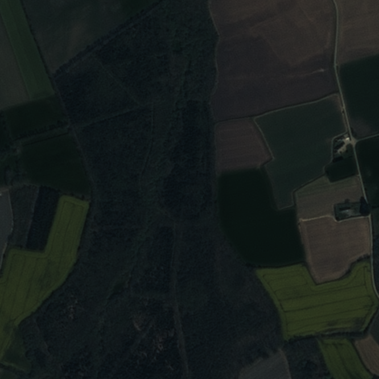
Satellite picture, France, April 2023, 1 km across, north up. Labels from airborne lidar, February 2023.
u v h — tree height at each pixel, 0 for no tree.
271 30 0
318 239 0
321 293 0
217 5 0
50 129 14
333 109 0
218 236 12
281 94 0
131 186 10
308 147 0
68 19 0
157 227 12
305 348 22
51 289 0
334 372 0
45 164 0
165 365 6
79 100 12
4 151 7
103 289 8
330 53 0
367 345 0
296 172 0
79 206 0
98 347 8
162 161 10
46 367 10
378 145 0
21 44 0
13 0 0
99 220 11
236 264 13
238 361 13
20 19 0
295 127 0
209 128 11
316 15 0
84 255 11
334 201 0
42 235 16
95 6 0
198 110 9
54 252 0
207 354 14
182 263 13
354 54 0
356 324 0
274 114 0
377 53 0
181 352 13
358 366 0
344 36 0
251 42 0
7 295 0
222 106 0
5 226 0
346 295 0
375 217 0
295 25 0
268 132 0
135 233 11
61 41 0
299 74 0
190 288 8
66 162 0
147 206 13
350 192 0
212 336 15
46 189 13
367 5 0
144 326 6
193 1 16
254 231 0
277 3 0
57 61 0
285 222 0
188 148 13
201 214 9
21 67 0
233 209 0
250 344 13
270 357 0
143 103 11
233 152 0
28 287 0
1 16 0
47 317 11
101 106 11
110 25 0
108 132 12
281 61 0
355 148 0
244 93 0
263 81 0
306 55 0
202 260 12
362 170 0
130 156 11
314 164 0
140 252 10
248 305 13
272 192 0
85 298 8
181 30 14
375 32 0
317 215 0
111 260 7
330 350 0
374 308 0
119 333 8
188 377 10
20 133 0
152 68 13
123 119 10
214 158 10
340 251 0
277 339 17
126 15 0
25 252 0
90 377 12
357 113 0
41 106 0
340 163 0
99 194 12
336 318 0
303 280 0
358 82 0
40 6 0
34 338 13
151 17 7
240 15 0
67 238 0
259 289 13
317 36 0
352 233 0
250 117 0
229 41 0
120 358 10
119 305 11
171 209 9
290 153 0
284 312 0
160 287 8
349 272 8
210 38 11
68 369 8
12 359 0
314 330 0
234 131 0
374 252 10
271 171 0
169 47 10
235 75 0
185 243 11
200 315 11
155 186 11
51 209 14
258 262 0
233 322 12
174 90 20
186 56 8
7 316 0
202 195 7
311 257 0
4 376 0
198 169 6
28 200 6
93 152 12
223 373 14
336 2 0
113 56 12
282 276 0
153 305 6
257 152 0
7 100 0
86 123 12
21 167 14
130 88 11
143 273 8
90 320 11
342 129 0
